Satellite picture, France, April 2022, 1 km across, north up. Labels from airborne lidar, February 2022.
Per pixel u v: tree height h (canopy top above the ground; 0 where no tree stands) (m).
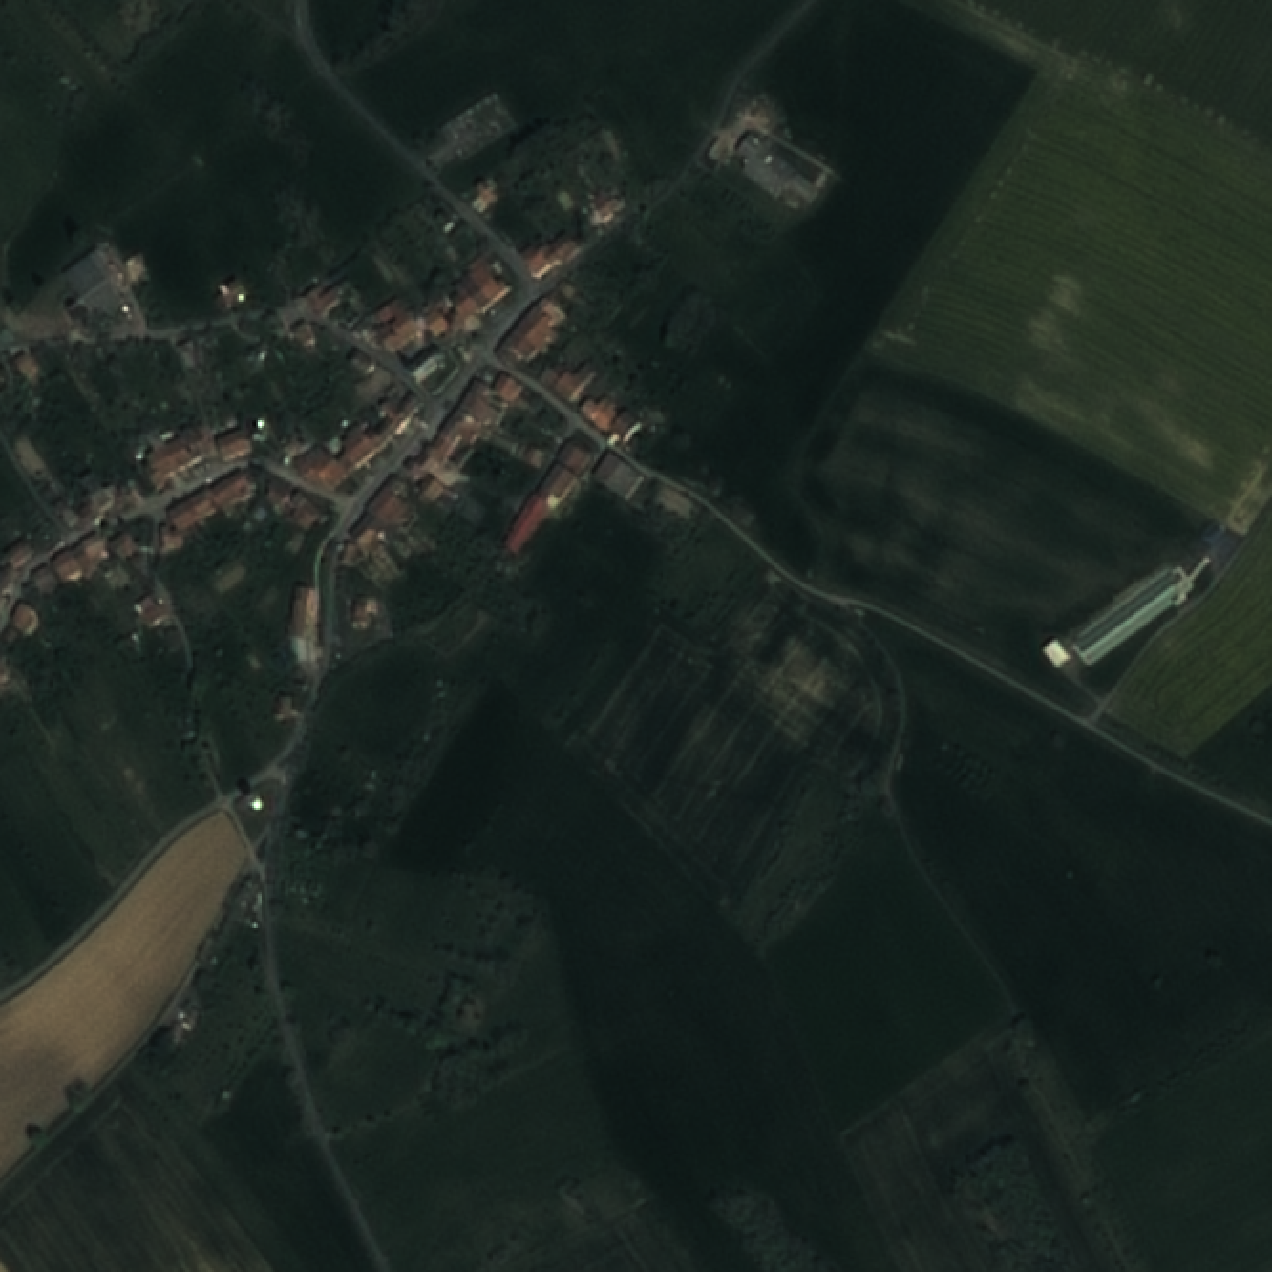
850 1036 0
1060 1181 0
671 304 0
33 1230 0
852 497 0
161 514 0
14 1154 0
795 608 0
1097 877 0
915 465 0
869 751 0
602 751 0
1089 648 0
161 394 0
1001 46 0
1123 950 0
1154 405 0
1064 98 0
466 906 0
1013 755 0
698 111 0
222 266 0
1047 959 0
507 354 0
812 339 0
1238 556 0
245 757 0
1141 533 0
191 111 0
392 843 0
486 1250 0
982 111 0
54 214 0
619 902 0
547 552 0
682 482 0
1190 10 0
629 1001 0
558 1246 0
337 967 0
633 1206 0
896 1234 0
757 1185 0
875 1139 0
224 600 0
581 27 0
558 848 0
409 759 8
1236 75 0
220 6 0
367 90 0
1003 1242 10
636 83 0
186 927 0
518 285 0
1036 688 0
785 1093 0
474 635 0
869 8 0
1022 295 0
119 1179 0
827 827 0
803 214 0
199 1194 0
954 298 0
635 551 0
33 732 0
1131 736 0
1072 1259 16
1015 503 0
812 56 0
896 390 0
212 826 0
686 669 0
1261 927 0
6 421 7
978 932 0
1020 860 0
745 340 0
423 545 0
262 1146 0
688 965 0
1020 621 0
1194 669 0
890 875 0
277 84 0
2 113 0
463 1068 19
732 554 0
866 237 0
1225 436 0
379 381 0
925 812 0
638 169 0
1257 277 0
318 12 0
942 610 0
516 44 0
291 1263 0
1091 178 0
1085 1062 0
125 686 0
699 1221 0
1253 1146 0
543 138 10
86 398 0
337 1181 0
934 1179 0
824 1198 0
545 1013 0
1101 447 0
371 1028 0
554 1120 0
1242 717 0
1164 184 0
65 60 0
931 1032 0
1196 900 0
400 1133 0
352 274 0
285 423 11
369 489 0
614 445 0
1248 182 0
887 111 0
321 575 0
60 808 0
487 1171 0
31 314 0
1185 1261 0
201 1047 0
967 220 0
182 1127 0
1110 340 0
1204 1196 0
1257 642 0
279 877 12
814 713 0
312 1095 0
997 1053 0
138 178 0
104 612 0
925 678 0
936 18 0
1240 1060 0
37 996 0
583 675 0
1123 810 0
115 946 0
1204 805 0
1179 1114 0
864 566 0
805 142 0
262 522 0
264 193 0
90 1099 13
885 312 0
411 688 0
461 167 0
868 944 0
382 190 0
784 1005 0
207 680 10
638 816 0
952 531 0
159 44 13
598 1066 0
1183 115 0
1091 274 0
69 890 0
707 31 0
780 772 0
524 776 0
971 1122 0
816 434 0
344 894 0
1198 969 0
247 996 0
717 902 0
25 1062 0
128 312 0
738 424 0
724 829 0
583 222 10
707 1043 0
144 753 0
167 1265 0
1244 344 0
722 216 0
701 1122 0
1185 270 0
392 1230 0
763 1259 12
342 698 0
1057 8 0
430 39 0
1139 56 0
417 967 0
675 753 0
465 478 0
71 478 8
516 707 0
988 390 0
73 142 0
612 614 0
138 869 0
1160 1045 0
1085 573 0
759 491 0
